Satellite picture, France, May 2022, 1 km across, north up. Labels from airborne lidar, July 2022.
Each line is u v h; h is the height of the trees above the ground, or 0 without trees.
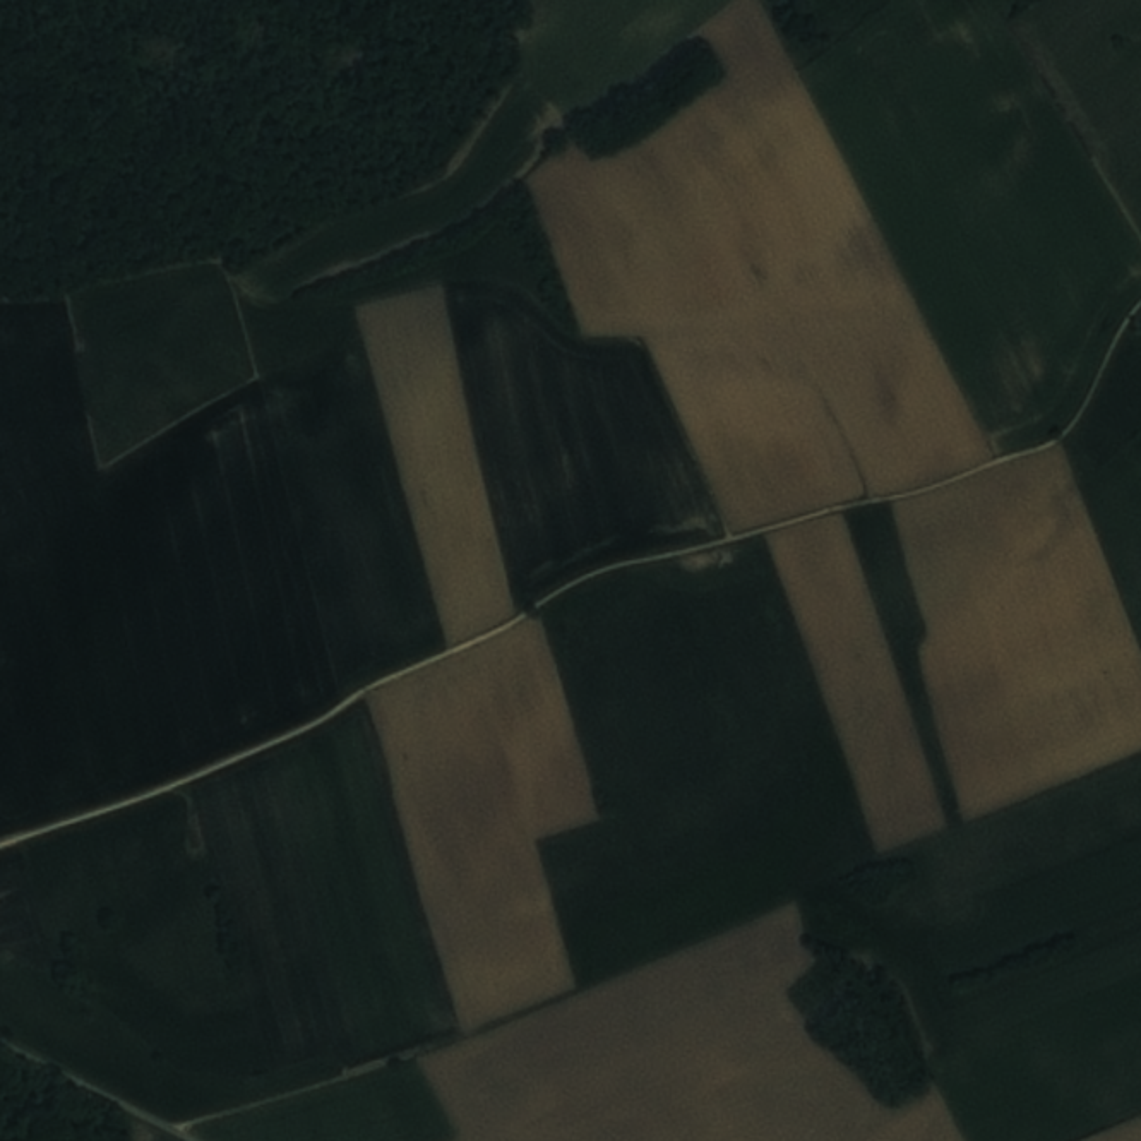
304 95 19
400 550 0
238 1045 0
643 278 0
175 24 11
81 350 0
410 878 0
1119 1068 0
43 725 0
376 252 0
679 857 0
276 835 0
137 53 21
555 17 0
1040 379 0
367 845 0
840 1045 17
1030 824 0
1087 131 0
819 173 0
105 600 0
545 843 0
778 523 0
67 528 0
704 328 0
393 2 13
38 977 0
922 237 0
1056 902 0
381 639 0
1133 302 0
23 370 0
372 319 0
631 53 0
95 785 0
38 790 0
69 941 15
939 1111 0
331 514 0
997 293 0
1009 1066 0
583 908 0
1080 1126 0
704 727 0
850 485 0
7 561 0
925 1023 0
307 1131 0
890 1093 17
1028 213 0
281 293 0
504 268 0
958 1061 0
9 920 0
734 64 0
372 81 18
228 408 0
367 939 0
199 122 19
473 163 0
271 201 21
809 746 0
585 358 0
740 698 0
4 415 0
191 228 17
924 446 0
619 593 0
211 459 0
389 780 0
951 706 0
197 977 0
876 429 0
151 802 0
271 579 0
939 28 0
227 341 0
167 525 0
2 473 0
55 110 21
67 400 0
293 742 0
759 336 0
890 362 0
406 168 13
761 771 0
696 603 0
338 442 0
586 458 0
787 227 0
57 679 0
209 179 23
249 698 0
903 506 0
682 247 0
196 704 0
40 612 0
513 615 0
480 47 12
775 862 0
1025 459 0
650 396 0
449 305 0
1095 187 0
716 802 0
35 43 21
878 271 0
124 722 0
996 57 0
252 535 0
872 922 0
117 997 0
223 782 0
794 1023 0
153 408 0
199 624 0
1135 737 0
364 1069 0
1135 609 0
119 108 22
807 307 0
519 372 0
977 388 0
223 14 15
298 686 0
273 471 0
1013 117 0
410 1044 0
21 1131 22
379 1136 0
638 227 0
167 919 0
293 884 0
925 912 0
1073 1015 0
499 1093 0
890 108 0
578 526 0
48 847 0
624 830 0
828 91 0
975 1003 0
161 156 22
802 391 0
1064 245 0
